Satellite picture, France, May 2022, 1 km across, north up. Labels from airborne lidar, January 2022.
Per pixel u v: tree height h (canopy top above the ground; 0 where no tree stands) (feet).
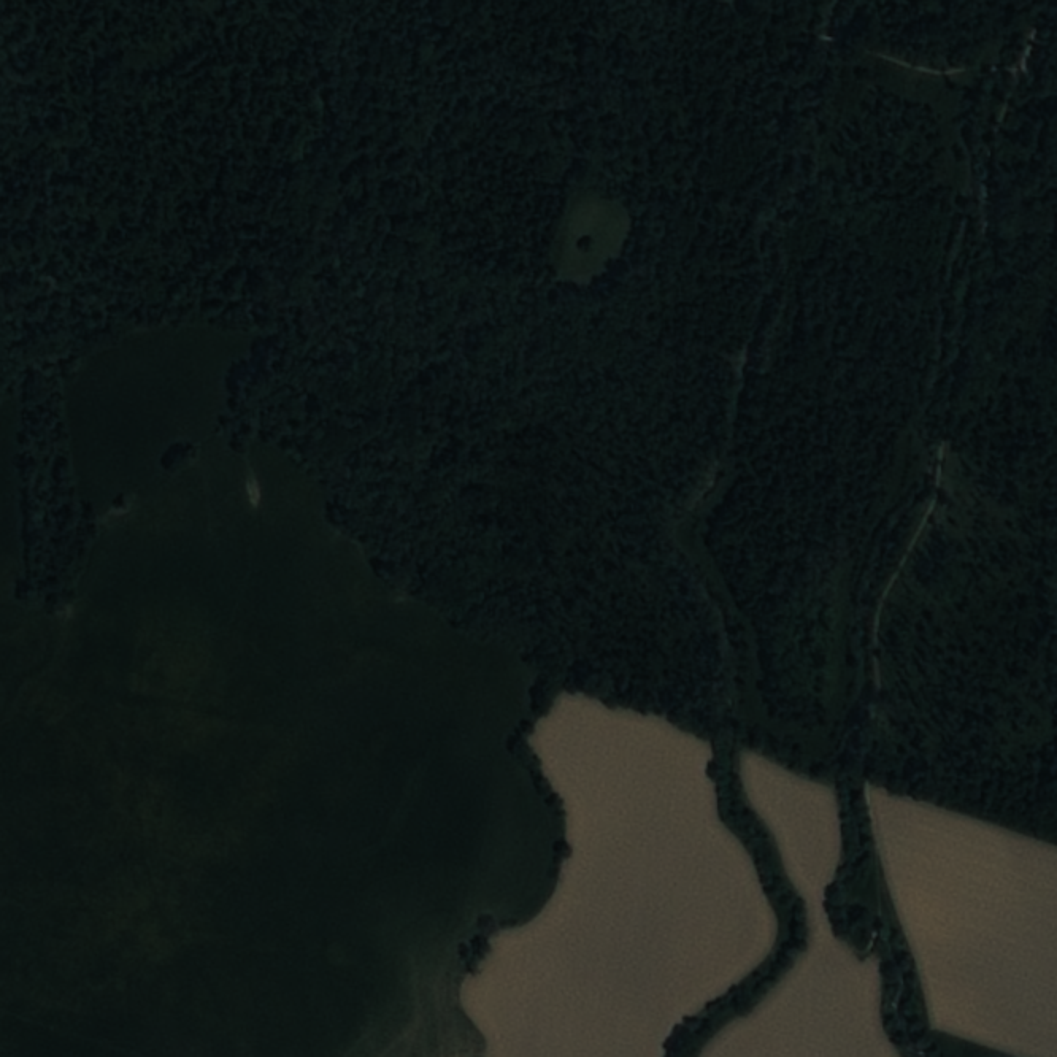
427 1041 0
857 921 51
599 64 86
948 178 0
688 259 76
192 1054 0
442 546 100
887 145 25
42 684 0
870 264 77
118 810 0
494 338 101
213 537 0
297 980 0
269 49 43
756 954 0
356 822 0
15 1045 0
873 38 82
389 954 0
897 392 89
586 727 0
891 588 0
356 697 0
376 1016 0
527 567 96
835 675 0
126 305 55
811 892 0
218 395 0
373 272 102
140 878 0
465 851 0
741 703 0
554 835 0
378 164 79
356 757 0
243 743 0
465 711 0
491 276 96
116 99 74
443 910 0
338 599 0
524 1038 0
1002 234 84
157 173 0
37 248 79
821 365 73
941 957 0
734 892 0
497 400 99
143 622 0
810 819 0
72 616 0
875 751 89
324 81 77
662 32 72
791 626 26
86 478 0
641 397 93
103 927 0
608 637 23
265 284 97
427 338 88
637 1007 0
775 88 72
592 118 73
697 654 113
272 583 0
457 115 84
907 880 0
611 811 0
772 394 79
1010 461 80
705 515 0
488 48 87
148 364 0
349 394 94
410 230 103
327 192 106
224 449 0
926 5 21
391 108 54
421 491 109
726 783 27
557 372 89
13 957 0
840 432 80
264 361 90
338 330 100
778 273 41
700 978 0
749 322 35
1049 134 78
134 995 0
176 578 0
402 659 0
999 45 35
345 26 77
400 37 77
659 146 67
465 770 0
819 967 0
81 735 0
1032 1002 0
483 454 83
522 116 82
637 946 0
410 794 0
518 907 0
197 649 0
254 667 0
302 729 0
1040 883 0
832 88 69
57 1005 0
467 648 0
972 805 48
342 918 0
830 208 93
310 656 0
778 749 61
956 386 78
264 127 47
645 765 0
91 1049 0
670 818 0
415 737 0
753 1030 0
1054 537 0
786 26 88
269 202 44
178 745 0
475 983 0
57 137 86
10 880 0
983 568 83
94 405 0
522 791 0
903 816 0
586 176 88
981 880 0
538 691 43
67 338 72
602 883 0
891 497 0
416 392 61
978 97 66
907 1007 40
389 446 104
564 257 0
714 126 65
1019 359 79
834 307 76
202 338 0
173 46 0
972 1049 0
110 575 0
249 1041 0
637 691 38
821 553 90
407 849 0
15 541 0
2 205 78
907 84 0
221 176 87
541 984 0
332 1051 0
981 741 92
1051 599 81
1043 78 97
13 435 0
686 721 70
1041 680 0
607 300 77
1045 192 79
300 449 92
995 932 0
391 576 110
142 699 0
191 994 0
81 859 0
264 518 0
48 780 0
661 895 0
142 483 0
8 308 75
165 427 0
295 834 0
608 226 0
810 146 90
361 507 80
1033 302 75
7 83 85
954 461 0
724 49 39
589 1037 0
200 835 0
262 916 0
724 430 73
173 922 0
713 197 97
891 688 0
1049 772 45
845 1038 0
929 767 92
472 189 85
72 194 74
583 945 0
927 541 0
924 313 30
